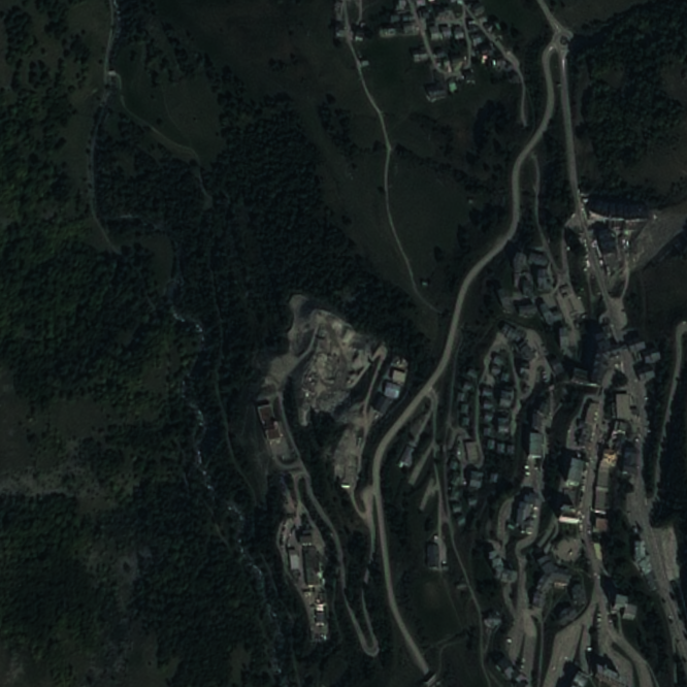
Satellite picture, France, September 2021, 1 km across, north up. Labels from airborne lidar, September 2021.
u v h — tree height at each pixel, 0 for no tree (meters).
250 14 0
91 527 13
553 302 0
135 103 0
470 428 7
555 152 10
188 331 7
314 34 0
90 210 10
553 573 0
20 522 10
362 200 0
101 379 6
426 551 0
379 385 0
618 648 0
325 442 11
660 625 7
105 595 7
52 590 16
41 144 9
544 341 0
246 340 13
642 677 0
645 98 8
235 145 13
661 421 8
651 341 0
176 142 0
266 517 8
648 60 12
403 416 0
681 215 0
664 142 5
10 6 0
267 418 0
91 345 6
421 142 0
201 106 0
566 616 0
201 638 15
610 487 0
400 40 0
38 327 13
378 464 0
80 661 0
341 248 16
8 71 0
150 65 6
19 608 12
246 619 9
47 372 6
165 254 0
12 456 0
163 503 13
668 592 0
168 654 11
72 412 0
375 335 14
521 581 0
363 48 0
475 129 0
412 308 9
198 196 13
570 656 0
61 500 13
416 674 0
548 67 0
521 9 0
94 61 0
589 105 16
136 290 12
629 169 12
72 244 7
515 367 0
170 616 15
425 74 0
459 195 0
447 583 0
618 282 0
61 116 12
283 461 0
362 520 0
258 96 0
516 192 0
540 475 0
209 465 10
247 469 12
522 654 0
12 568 7
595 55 9
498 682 0
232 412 12
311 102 0
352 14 0
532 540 0
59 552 12
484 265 0
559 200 15
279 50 0
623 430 0
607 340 0
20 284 12
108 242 0
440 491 0
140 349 11
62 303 11
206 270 7
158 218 10
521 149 0
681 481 13
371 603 11
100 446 7
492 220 10
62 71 12
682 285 0
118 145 10
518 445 0
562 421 0
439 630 0
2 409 0
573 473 0
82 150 0
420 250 0
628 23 8
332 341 0
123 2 8
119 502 7
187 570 13
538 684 0
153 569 7
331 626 8
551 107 0
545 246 0
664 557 0
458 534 0
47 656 11
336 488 8
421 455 8
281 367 0
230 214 6
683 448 11
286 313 12
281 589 10
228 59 0
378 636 9
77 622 10
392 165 0
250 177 9
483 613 0
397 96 0
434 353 0
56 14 13
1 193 12
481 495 0
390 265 0
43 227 8
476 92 0
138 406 10
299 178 12
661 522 13
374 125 0
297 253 9
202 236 11
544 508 0
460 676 0
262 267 6
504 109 9
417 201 0
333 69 0
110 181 8
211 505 10
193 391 7
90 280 9
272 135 9
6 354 19
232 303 10
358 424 0
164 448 10
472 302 0
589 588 0
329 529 9
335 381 0
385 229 0
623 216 0
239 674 0
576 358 0
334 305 10
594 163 0
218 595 12
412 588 0
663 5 16
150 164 14
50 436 8
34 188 11
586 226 0
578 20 0
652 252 0
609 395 6
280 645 10
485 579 0
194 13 0
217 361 8
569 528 0
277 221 16
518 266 0
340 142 12
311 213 12
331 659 11
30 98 11
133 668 0
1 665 0
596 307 0
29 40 18
